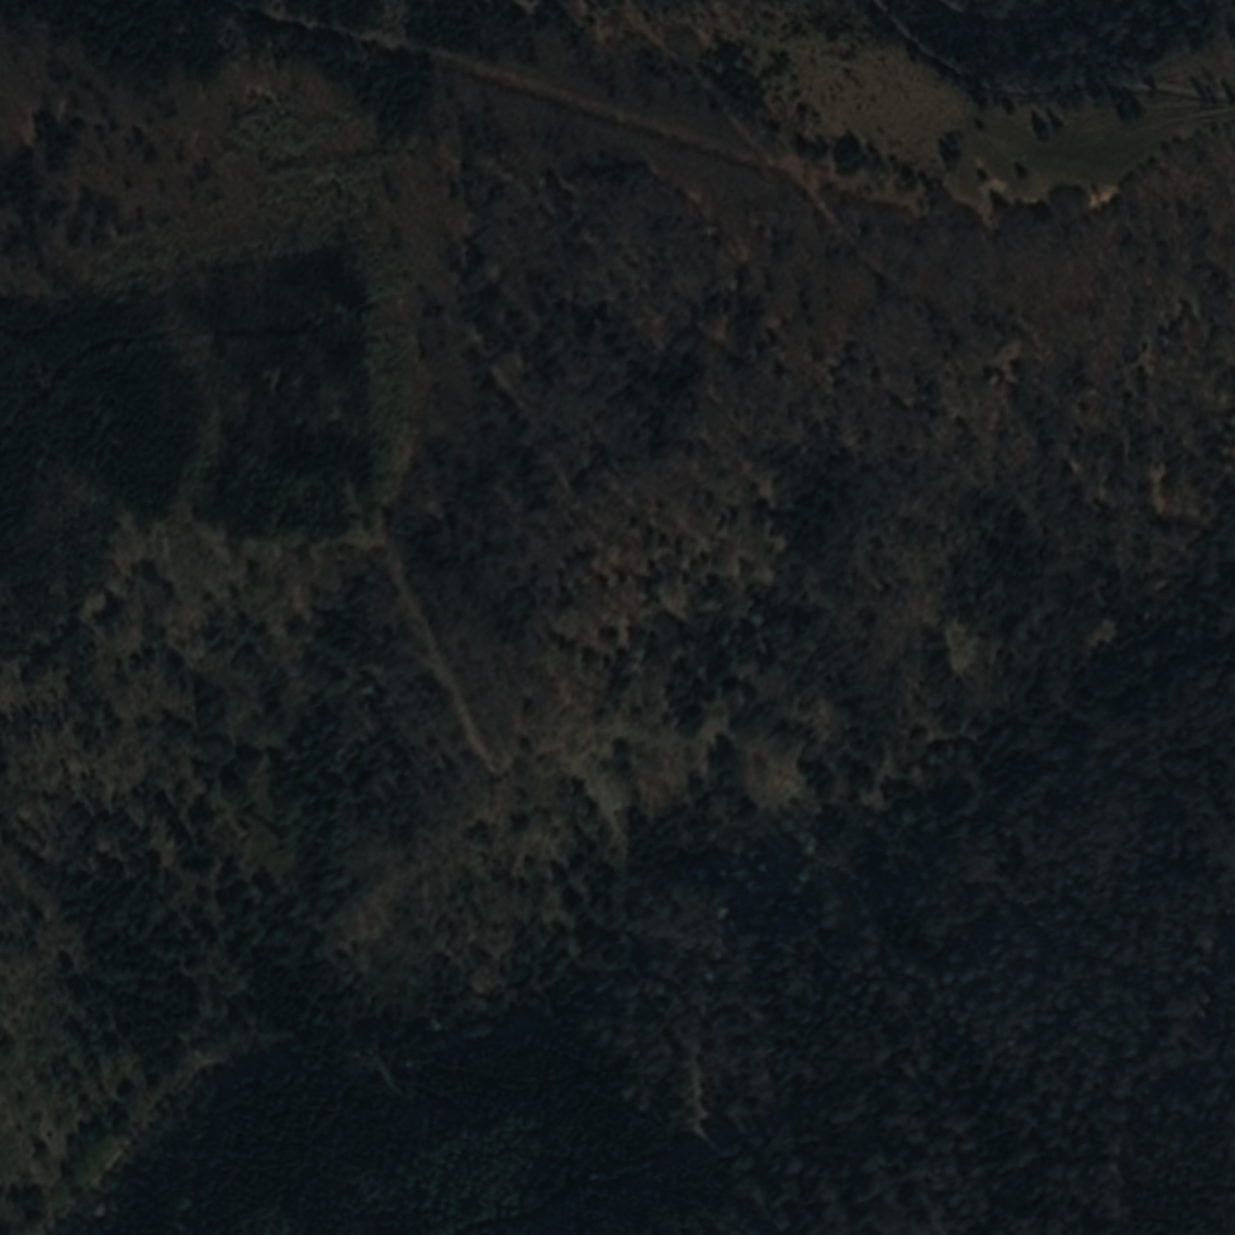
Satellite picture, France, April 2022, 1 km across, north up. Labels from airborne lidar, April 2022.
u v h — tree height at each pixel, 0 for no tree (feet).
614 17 39
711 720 29
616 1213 67
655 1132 73
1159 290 91
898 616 76
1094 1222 33
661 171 47
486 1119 65
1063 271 67
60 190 60
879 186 34
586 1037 73
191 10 84
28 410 61
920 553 48
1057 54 87
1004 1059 78
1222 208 84
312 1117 101
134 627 67
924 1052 88
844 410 84
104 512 71
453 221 38
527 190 95
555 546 92
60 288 77
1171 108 0
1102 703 99
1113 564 56
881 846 75
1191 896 58
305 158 32
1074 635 73
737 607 88
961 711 118
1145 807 96
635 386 49
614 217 105
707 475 69
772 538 94
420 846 36
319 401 54
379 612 116
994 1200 41
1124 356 61
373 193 53
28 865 131
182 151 31
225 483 66
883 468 54
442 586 67
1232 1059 63
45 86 46
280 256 65
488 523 41
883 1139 76
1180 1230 79
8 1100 43
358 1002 79
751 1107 69
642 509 89
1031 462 100
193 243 64
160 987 89
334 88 65
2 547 77
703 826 76
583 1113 82
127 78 55
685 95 43
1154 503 118
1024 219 50
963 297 69
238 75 53
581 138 56
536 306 66
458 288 34
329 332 61
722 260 92
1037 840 53
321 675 105
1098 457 76
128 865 52
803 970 40
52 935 28
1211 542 77
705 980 18
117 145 34
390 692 108
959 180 0
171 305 72
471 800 68
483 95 72
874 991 91
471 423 67
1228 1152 67
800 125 21
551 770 48
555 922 23
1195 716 94
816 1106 74
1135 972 63
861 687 61
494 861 53
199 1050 63
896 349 82
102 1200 25
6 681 65
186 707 21
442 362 69
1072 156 0
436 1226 61
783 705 41
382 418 74
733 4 24
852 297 55
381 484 64
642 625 24
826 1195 74
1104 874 86
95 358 78
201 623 22
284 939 57
